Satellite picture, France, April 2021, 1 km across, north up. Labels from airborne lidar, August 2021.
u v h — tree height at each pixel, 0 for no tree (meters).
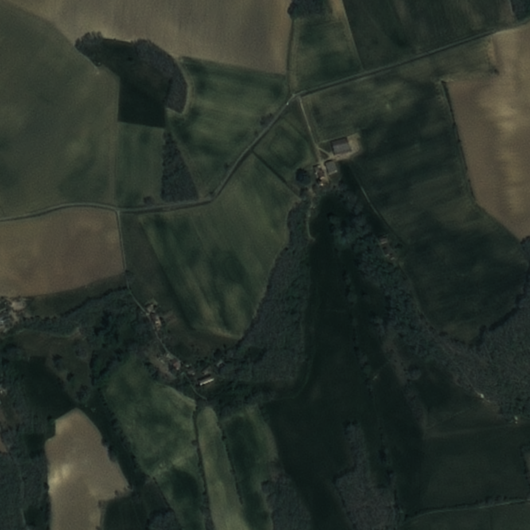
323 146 0
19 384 23
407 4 0
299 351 19
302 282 23
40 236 0
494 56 0
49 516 18
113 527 0
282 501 21
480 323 0
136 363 0
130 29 0
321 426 0
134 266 0
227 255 0
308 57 0
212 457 0
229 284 0
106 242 0
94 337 18
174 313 0
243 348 15
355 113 0
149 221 0
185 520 0
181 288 0
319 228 0
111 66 0
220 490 0
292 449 0
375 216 0
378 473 0
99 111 0
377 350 0
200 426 0
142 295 0
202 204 0
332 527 0
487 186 0
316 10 20
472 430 0
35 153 0
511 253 0
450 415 0
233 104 0
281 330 22
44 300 0
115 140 0
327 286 0
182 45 0
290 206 0
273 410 0
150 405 0
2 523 15
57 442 0
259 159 0
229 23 0
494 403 13
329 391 0
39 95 0
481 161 0
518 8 10
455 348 19
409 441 0
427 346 24
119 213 0
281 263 13
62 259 0
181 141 0
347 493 22
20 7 0
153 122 0
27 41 0
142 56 14
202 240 0
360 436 23
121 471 0
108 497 0
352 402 0
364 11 0
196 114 0
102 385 13
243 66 0
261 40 0
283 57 0
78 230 0
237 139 0
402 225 0
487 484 0
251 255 0
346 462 0
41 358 0
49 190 0
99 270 0
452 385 0
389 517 22
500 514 0
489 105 0
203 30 0
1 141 0
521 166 0
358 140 0
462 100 0
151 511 0
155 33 0
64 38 0
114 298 19
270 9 0
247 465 0
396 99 0
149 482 16
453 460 0
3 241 0
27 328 16
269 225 0
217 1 0
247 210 0
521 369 19
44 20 0
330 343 0
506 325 18
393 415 0
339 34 0
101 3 0
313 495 0
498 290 0
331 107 0
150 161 0
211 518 14
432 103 0
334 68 0
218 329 0
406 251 0
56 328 20
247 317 0
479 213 0
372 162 0
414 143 0
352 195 16
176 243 0
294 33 0
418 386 0
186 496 0
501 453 0
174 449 0
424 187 0
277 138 0
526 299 18
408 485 0
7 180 0
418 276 0
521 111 0
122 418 0
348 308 0
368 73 0
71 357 0
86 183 0
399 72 0
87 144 0
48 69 0
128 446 13
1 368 17
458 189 0
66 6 0
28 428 19
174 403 0
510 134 0
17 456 13
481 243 0
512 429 0
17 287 0
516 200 0
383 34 0
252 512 0
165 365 0
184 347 0
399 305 20
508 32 0
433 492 0
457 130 7
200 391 11
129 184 0
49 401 0
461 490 0
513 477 0
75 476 0
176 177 15
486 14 0
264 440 0
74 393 0
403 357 0
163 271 0
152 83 0
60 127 0
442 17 0
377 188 0
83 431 0
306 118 0
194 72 0
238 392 15
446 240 0
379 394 0
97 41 14
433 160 0
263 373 20
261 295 0
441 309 0
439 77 0
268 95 0
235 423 0
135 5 0
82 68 0
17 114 0
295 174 0
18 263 0
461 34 0
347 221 0
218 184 0
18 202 0
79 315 18
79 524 0
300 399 0
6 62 0
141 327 20
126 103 0
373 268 26
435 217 0
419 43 0
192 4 0
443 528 0
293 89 0
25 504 22
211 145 0
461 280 0
